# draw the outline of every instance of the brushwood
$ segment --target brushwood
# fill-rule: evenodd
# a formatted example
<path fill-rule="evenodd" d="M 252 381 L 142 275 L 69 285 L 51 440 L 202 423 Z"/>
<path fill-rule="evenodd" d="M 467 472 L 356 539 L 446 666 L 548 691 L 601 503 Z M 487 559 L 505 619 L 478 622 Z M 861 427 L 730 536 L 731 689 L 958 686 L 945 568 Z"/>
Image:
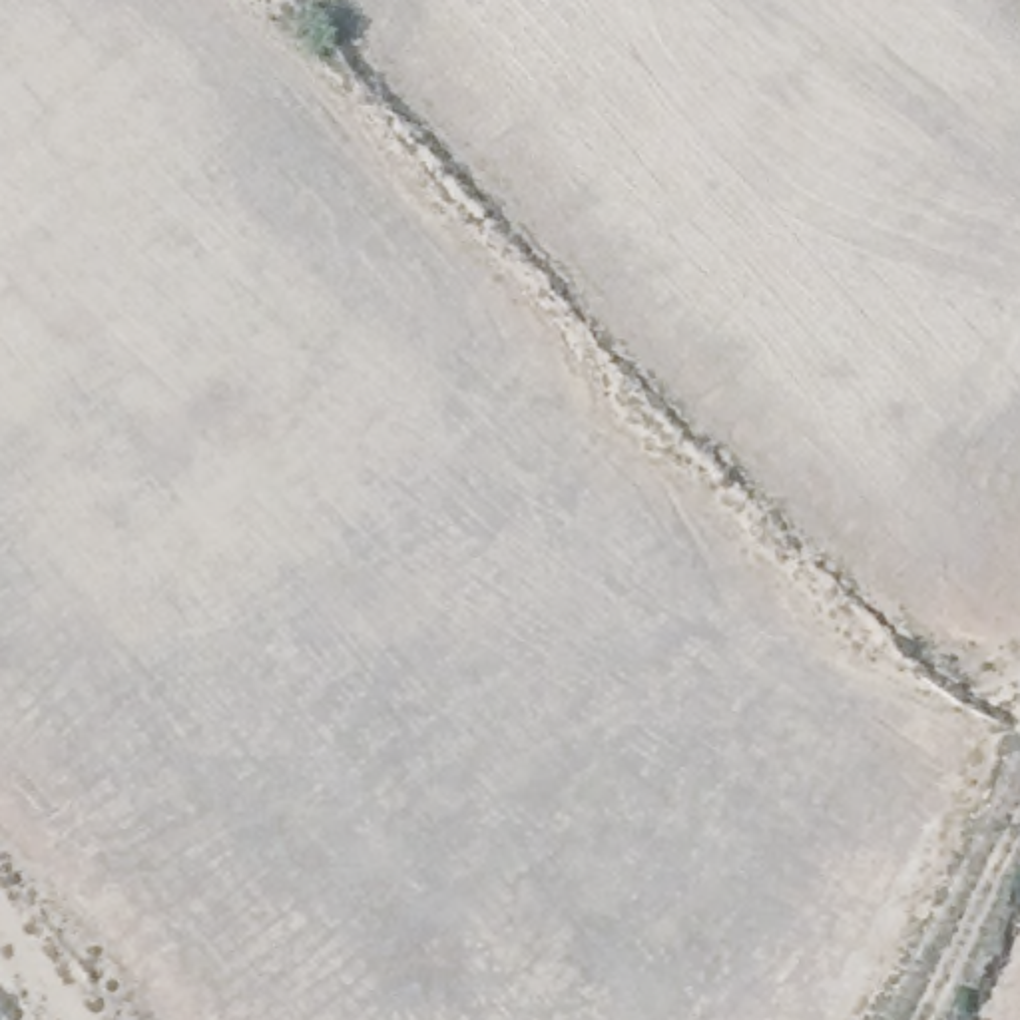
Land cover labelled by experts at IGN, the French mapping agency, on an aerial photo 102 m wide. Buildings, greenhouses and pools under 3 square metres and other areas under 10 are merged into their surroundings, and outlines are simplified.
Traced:
<path fill-rule="evenodd" d="M 912 1020 L 940 952 L 952 944 L 972 900 L 968 893 L 956 893 L 893 1020 Z"/>
<path fill-rule="evenodd" d="M 980 1020 L 984 1000 L 992 996 L 1000 972 L 1012 960 L 1020 928 L 1020 865 L 1008 881 L 1000 944 L 988 956 L 976 984 L 956 992 L 952 1020 Z"/>
<path fill-rule="evenodd" d="M 430 128 L 430 120 L 422 120 L 390 88 L 383 72 L 375 72 L 363 60 L 359 36 L 367 24 L 347 0 L 331 0 L 327 16 L 335 40 L 323 44 L 319 56 L 339 72 L 351 72 L 367 88 L 371 104 L 383 104 L 394 120 L 410 128 L 410 135 L 442 163 L 442 171 L 486 211 L 494 231 L 522 255 L 522 263 L 550 283 L 566 311 L 622 371 L 622 379 L 634 383 L 649 398 L 649 406 L 657 406 L 669 418 L 669 426 L 677 426 L 685 442 L 709 454 L 721 474 L 737 466 L 733 442 L 721 446 L 713 434 L 697 430 L 661 379 L 641 371 L 630 355 L 618 355 L 614 335 L 594 311 L 586 311 L 582 295 L 570 287 L 562 267 L 538 251 L 526 227 L 510 223 L 502 203 L 470 175 L 466 163 L 454 159 L 446 139 Z"/>
<path fill-rule="evenodd" d="M 869 614 L 928 681 L 956 693 L 968 709 L 980 709 L 1000 725 L 1016 721 L 1008 705 L 996 705 L 972 689 L 956 653 L 936 653 L 924 638 L 904 638 L 896 630 L 896 618 L 889 618 L 873 598 L 861 594 L 853 570 L 845 570 L 829 554 L 813 558 L 797 538 L 793 518 L 785 514 L 785 502 L 745 474 L 737 490 L 761 514 L 761 542 L 777 546 L 785 562 L 793 558 L 797 566 L 817 566 L 825 578 L 833 578 L 833 594 L 845 594 L 861 614 Z"/>

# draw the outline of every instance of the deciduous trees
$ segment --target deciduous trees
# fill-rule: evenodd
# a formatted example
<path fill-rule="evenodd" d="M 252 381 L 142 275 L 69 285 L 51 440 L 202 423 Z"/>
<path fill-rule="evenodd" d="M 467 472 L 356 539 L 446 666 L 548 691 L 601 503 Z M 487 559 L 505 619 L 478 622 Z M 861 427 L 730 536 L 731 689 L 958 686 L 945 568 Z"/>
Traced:
<path fill-rule="evenodd" d="M 335 40 L 327 16 L 331 0 L 315 0 L 311 8 L 299 8 L 299 40 L 319 56 L 323 44 Z"/>

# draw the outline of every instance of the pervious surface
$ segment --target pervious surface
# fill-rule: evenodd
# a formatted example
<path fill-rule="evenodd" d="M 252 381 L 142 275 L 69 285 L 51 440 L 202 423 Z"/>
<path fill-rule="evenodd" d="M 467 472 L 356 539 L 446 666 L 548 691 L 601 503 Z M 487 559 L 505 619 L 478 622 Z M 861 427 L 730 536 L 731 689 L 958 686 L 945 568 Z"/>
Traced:
<path fill-rule="evenodd" d="M 992 996 L 984 1000 L 980 1020 L 1020 1020 L 1020 928 L 1012 960 L 1000 972 Z"/>
<path fill-rule="evenodd" d="M 697 430 L 713 434 L 721 446 L 733 442 L 737 466 L 721 474 L 709 454 L 685 442 L 677 426 L 669 426 L 669 418 L 657 406 L 649 406 L 649 398 L 634 383 L 622 379 L 622 371 L 566 311 L 550 283 L 522 263 L 522 255 L 494 231 L 486 211 L 442 171 L 442 163 L 410 135 L 410 128 L 394 120 L 383 104 L 371 104 L 367 88 L 351 72 L 339 72 L 319 56 L 299 40 L 299 8 L 311 8 L 315 0 L 0 0 L 0 1020 L 893 1020 L 956 893 L 968 893 L 972 900 L 952 944 L 940 952 L 912 1020 L 952 1020 L 956 992 L 976 984 L 988 956 L 1000 944 L 1008 881 L 1020 865 L 1020 0 L 347 0 L 367 24 L 359 36 L 363 60 L 375 72 L 383 72 L 390 88 L 422 120 L 430 120 L 430 128 L 446 139 L 454 159 L 466 163 L 470 175 L 502 203 L 510 223 L 526 227 L 538 251 L 562 267 L 570 287 L 582 295 L 586 311 L 594 311 L 614 335 L 618 355 L 630 355 L 641 371 L 661 379 Z M 745 474 L 785 502 L 785 514 L 793 518 L 797 538 L 813 558 L 829 554 L 845 570 L 853 570 L 861 594 L 873 598 L 889 618 L 896 618 L 896 630 L 904 638 L 924 638 L 936 653 L 956 653 L 972 689 L 996 705 L 1008 705 L 1016 721 L 1000 725 L 980 709 L 968 709 L 956 693 L 928 681 L 869 614 L 861 614 L 845 594 L 833 594 L 833 578 L 825 578 L 817 566 L 797 566 L 793 558 L 785 562 L 777 546 L 761 542 L 761 514 L 737 490 Z"/>

